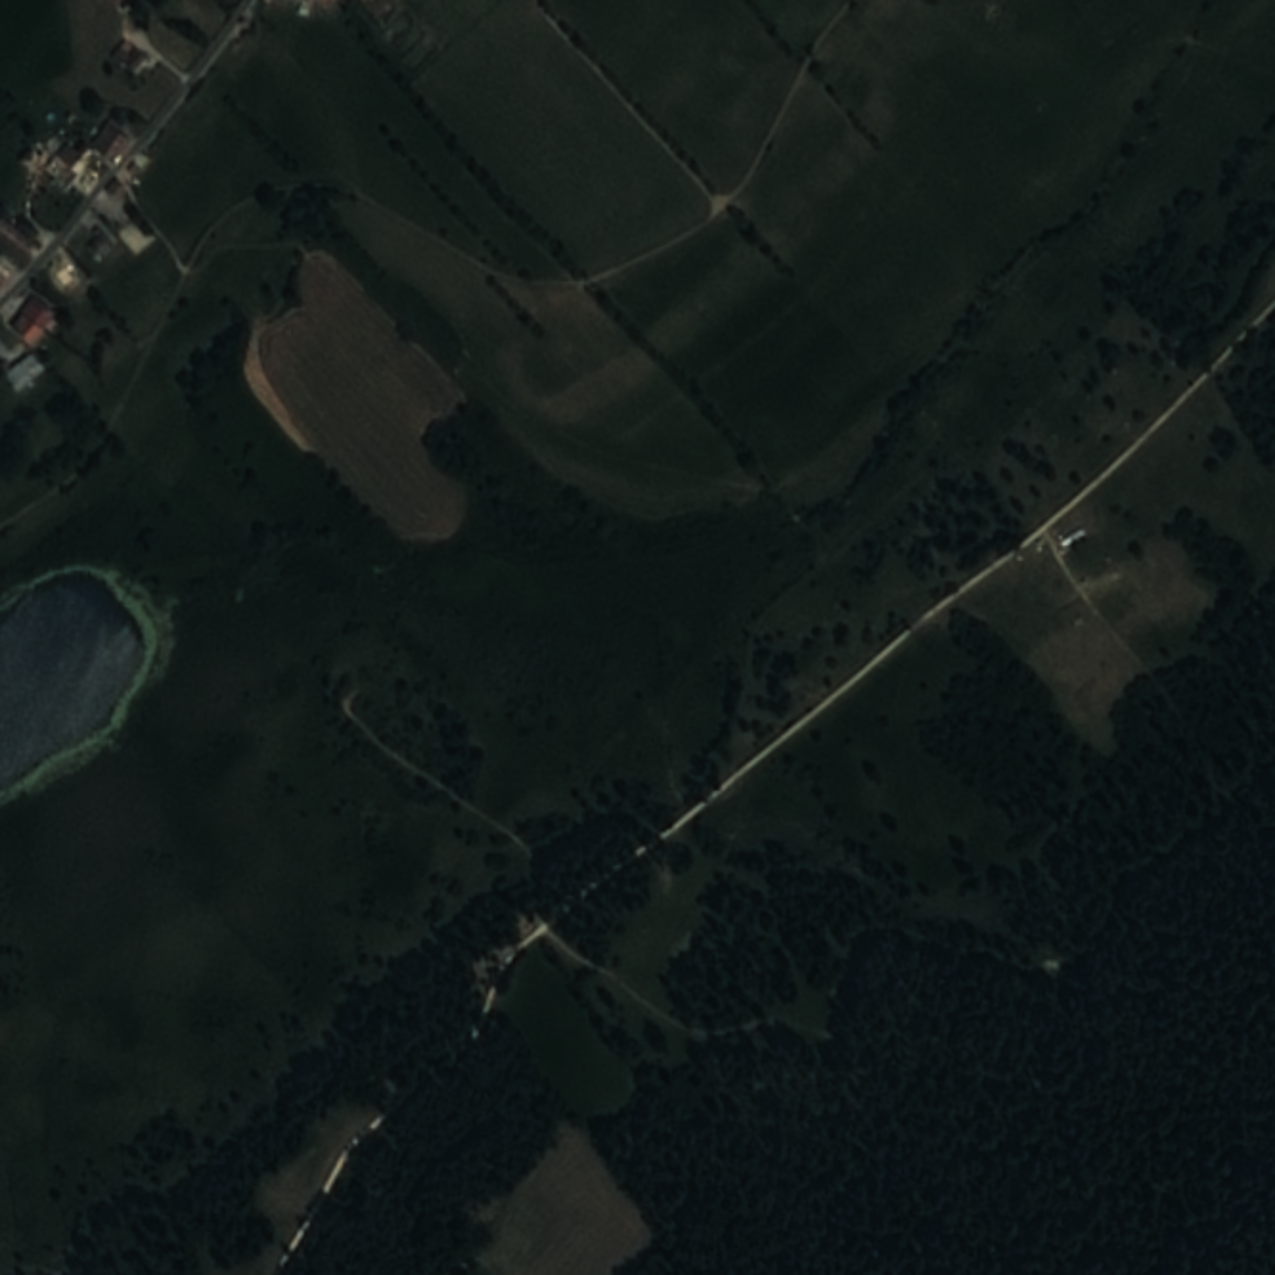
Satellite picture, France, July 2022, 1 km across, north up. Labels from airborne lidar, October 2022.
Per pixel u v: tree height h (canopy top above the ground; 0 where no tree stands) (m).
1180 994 34
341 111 0
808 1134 24
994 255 0
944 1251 32
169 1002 0
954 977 27
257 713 0
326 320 0
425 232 0
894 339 0
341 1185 6
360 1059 6
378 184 0
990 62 0
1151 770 7
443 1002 28
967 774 8
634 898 14
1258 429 19
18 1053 0
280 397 0
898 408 11
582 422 0
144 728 0
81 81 0
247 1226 15
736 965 21
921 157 0
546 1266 0
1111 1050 29
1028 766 7
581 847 25
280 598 0
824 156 0
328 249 0
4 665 0
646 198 0
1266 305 0
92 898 0
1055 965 0
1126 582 0
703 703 0
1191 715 10
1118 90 0
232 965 0
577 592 0
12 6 0
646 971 0
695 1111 6
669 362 6
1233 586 6
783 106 0
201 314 0
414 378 0
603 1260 0
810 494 0
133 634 0
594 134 0
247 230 0
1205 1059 30
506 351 0
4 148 0
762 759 0
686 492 0
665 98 0
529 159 0
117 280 0
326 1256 24
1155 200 0
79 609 0
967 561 12
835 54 0
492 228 0
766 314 0
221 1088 0
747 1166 26
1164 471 0
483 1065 25
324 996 0
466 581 0
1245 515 0
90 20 0
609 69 6
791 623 0
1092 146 0
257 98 0
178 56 0
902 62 0
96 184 0
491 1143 21
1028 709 12
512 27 0
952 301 0
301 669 0
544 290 0
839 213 0
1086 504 0
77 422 18
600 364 0
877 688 0
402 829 0
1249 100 0
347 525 0
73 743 0
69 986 0
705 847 6
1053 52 0
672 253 0
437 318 0
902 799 0
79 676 0
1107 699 0
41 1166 0
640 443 0
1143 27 0
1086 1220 27
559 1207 0
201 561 0
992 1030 32
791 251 0
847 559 0
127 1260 7
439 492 0
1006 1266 14
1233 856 27
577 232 0
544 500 0
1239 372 8
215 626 0
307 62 0
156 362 0
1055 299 0
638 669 0
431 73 0
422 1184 27
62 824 0
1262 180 0
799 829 0
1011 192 0
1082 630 0
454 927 6
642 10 0
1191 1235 31
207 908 0
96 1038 0
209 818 0
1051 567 0
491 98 0
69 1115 0
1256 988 31
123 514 0
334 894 0
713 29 0
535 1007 0
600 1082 0
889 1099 20
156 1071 0
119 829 0
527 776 0
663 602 0
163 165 0
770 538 0
